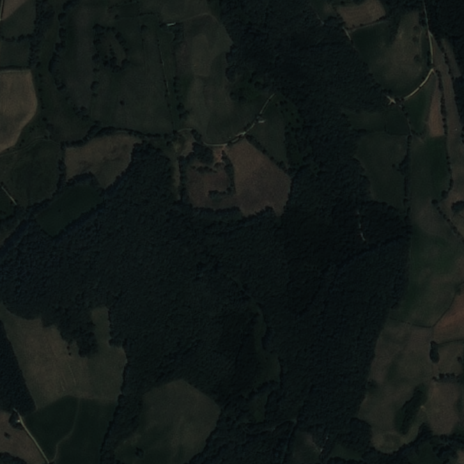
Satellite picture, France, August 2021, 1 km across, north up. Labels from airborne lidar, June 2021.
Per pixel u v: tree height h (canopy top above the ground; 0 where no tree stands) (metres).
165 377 23
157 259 24
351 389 20
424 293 0
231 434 16
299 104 21
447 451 23
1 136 0
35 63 17
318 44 9
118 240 14
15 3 0
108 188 0
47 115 0
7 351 32
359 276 26
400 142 0
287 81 21
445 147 0
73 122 0
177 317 26
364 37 0
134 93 0
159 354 23
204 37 0
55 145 0
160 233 23
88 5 0
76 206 0
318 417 21
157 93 0
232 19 16
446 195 12
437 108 0
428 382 0
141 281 22
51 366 0
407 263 14
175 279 24
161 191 26
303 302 13
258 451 21
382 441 0
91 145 0
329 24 12
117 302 19
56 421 0
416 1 18
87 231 18
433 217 0
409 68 0
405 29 0
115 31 9
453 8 23
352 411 17
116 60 7
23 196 0
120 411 19
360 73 19
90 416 0
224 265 29
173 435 0
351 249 11
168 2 0
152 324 25
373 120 0
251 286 28
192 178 0
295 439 6
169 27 8
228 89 0
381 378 0
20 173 0
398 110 0
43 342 0
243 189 0
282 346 22
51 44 0
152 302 21
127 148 0
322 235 9
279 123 0
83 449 0
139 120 0
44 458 0
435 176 0
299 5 19
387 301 21
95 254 13
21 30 0
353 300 28
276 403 10
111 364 0
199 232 23
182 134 0
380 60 0
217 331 21
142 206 19
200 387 21
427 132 0
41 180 0
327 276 28
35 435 0
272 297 22
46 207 9
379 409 0
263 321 0
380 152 0
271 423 9
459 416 0
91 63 0
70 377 0
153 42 0
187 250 27
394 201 0
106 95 0
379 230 11
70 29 0
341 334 26
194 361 28
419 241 0
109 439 21
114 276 17
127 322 20
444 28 18
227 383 13
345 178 24
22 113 0
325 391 22
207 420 0
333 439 10
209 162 10
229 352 11
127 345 20
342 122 19
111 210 19
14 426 10
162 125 0
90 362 0
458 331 0
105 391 0
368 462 18
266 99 0
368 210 13
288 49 23
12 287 15
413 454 20
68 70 0
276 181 0
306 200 26
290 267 12
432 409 0
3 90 0
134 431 19
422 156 0
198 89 0
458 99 14
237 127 0
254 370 11
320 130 18
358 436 21
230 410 24
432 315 0
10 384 30
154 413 0
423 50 0
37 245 16
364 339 15
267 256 24
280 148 0
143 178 15
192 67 0
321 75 26
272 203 0
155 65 0
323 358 24
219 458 23
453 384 0
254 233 23
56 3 0
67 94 10
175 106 0
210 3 8
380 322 19
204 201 0
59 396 0
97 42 11
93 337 15
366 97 19
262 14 19
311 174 24
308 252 10
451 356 0
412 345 0
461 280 0
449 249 0
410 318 0
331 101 15
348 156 18
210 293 23
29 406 29
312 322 30
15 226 19
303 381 26
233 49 14
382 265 22
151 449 0
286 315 25
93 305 18
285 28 22
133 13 0
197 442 0
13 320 0
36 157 0
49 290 21
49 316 19
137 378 27
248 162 0
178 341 26
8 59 0
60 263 15
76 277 20
